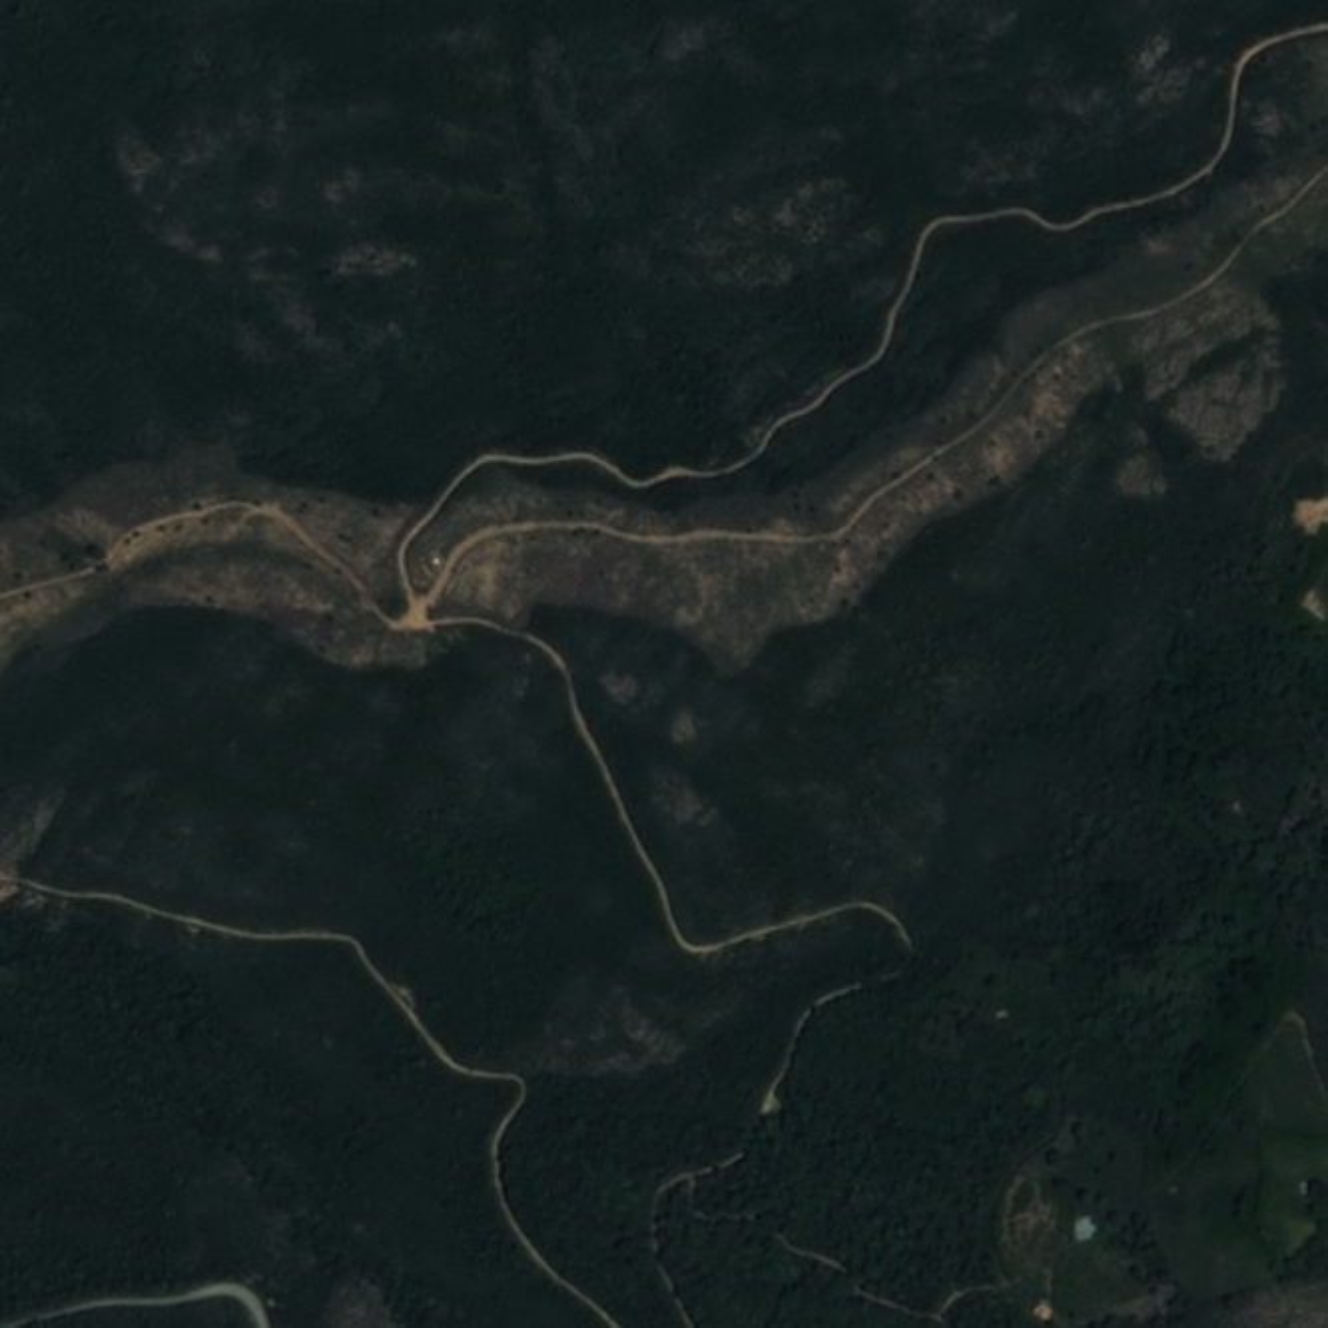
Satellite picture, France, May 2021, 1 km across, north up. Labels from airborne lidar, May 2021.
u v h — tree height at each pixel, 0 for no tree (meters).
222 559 0
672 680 0
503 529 0
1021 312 0
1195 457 12
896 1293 11
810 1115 14
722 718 0
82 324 6
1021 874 5
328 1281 7
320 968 5
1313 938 9
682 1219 11
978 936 6
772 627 0
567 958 7
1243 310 0
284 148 0
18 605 0
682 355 9
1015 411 0
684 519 0
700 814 0
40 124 7
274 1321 9
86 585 0
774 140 0
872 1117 11
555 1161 9
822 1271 13
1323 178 0
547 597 0
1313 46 0
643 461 6
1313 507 0
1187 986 13
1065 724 8
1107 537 6
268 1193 10
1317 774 7
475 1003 6
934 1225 14
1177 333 0
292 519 0
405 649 0
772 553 0
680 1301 10
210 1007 6
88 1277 7
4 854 0
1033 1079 6
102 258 5
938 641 8
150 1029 8
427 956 6
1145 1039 8
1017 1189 0
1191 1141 0
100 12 6
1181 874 8
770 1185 15
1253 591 9
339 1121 6
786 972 6
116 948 7
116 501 0
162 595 0
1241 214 0
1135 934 14
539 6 7
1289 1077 0
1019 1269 0
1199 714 10
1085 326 0
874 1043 7
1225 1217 0
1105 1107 6
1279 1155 0
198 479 0
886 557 9
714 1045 8
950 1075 6
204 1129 5
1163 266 0
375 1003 6
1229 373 0
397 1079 6
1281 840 9
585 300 6
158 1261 6
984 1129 10
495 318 6
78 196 6
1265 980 14
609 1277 10
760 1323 10
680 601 0
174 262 5
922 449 0
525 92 6
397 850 6
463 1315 7
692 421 6
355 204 0
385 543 0
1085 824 9
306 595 0
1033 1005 0
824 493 0
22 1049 7
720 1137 11
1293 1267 14
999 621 7
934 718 9
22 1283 6
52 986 7
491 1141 8
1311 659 11
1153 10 0
